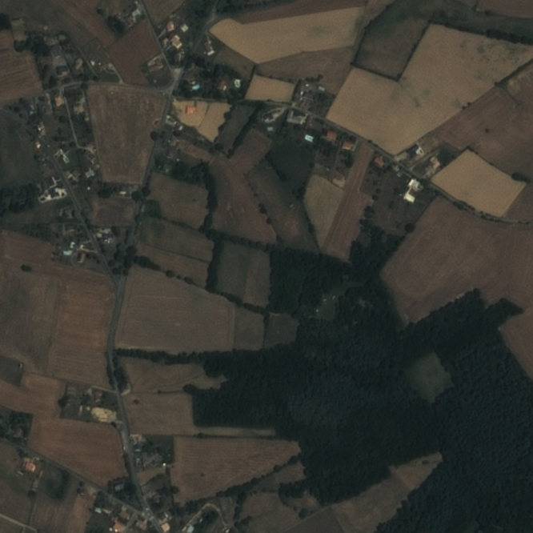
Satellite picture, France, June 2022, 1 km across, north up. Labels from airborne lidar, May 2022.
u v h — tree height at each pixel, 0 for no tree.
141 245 0
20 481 0
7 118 0
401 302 0
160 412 0
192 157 0
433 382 0
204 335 0
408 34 0
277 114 0
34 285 0
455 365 21
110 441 0
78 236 8
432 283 0
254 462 0
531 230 0
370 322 20
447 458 25
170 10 0
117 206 0
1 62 0
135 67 0
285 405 12
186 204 0
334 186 0
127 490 10
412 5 0
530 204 0
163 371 0
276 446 0
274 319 0
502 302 12
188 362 8
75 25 0
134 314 0
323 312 0
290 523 0
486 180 0
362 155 0
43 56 10
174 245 0
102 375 0
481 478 22
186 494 0
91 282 0
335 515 0
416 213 0
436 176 0
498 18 0
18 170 0
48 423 0
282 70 0
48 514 0
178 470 0
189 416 0
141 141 0
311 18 0
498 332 12
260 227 0
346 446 15
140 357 14
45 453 0
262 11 0
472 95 0
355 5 0
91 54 0
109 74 0
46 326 0
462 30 10
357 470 21
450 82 0
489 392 21
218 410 12
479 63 0
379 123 0
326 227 0
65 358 0
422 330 16
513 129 0
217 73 18
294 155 0
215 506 0
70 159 0
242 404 14
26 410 0
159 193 0
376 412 19
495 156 0
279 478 0
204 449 0
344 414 26
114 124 0
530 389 19
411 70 0
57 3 0
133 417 0
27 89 0
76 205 0
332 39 0
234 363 15
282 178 11
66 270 0
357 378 27
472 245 0
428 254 0
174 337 0
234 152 8
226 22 0
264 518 0
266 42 0
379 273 10
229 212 0
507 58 0
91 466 0
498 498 11
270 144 0
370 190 0
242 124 0
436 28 0
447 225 0
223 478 0
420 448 17
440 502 19
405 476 0
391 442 18
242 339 0
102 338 0
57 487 0
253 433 0
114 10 0
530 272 0
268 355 19
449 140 0
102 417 0
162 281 0
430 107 0
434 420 13
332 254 0
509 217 0
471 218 0
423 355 15
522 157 0
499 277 0
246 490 12
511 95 0
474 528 0
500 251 0
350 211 0
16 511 0
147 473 0
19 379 0
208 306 0
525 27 0
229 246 0
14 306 0
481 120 0
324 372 19
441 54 0
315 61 0
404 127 0
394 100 0
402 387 28
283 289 6
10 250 0
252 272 0
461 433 25
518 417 22
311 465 19
